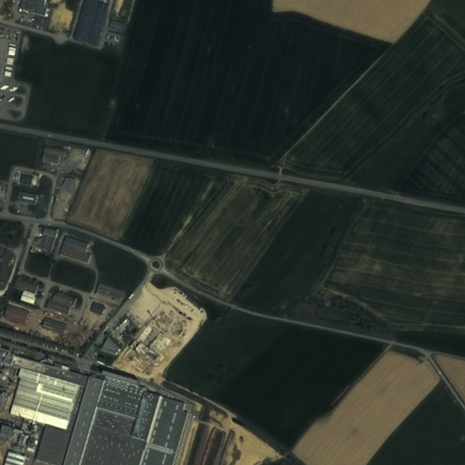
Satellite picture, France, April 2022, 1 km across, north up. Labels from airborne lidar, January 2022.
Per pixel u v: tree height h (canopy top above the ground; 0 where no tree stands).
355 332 0
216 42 0
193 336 0
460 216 0
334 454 0
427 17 0
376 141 0
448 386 0
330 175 0
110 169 0
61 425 0
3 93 0
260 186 0
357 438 0
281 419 0
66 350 18
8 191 0
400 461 0
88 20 0
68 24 0
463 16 0
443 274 0
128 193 0
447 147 0
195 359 0
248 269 0
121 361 0
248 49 0
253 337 0
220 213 0
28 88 0
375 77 0
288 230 0
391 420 0
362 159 0
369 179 0
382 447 0
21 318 0
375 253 0
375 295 0
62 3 0
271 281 0
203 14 0
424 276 0
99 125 0
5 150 0
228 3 0
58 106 0
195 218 0
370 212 0
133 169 0
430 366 0
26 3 0
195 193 0
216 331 0
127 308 0
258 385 0
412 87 0
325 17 0
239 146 0
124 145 0
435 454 0
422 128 0
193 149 0
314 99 0
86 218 0
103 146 0
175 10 0
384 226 0
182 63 0
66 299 0
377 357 0
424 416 0
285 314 0
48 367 0
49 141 0
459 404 0
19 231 0
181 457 0
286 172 0
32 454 0
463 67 0
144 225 0
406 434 0
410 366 0
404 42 0
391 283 0
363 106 0
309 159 0
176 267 0
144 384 0
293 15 0
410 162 0
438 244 0
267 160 0
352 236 0
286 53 0
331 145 0
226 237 0
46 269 0
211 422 0
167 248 0
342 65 0
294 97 0
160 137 0
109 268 0
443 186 0
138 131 0
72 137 0
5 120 0
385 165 0
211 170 0
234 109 0
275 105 0
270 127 0
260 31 0
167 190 0
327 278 0
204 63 0
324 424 0
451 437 0
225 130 0
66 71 0
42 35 0
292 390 0
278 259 0
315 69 0
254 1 0
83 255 0
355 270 0
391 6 0
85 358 0
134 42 0
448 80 0
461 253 0
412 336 0
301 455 0
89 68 0
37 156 0
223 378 0
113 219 0
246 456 0
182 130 0
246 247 0
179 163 0
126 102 0
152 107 0
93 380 0
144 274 0
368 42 0
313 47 0
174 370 0
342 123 0
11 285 7
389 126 0
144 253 0
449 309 0
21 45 0
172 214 0
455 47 0
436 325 0
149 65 0
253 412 0
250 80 0
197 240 0
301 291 0
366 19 0
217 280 0
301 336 0
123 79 0
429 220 0
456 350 0
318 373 0
